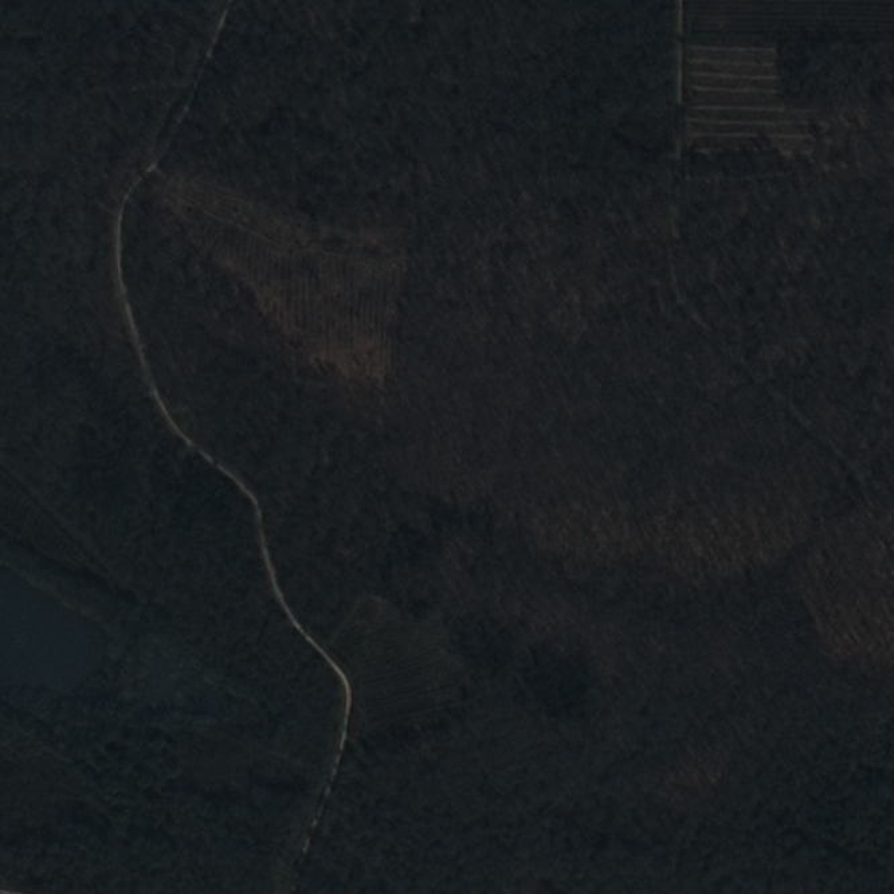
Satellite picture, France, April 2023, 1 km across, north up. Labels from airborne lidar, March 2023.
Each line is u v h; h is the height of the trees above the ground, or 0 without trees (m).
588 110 21
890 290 17
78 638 0
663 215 24
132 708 12
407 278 0
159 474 16
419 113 20
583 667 20
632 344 20
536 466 23
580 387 22
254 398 9
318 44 18
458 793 22
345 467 24
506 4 25
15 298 23
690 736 16
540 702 18
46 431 24
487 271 21
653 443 24
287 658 22
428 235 21
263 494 20
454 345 23
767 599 11
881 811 20
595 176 25
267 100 28
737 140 0
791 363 15
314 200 13
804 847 23
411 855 25
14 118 13
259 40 19
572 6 25
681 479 20
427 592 19
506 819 20
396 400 23
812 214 25
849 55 19
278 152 24
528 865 19
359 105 23
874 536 24
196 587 28
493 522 17
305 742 18
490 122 18
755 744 18
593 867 20
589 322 24
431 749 21
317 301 0
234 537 25
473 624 18
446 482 19
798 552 21
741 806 21
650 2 22
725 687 20
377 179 27
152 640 35
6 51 25
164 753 18
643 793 27
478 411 20
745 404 22
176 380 21
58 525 6
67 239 27
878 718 17
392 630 0
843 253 23
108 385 21
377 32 30
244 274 0
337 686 22
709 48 0
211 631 23
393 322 0
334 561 22
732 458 26
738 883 21
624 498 22
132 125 26
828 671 14
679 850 18
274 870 25
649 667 26
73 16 23
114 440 22
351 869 23
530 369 21
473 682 20
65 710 13
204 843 25
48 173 21
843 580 20
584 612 26
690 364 21
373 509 20
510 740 21
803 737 19
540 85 20
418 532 19
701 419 23
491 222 23
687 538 22
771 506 29
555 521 21
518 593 21
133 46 27
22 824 8
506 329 24
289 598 20
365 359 0
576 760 21
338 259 0
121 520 24
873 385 19
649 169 18
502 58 23
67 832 16
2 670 0
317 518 19
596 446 26
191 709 7
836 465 20
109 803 21
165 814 22
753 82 0
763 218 22
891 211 26
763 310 24
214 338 14
